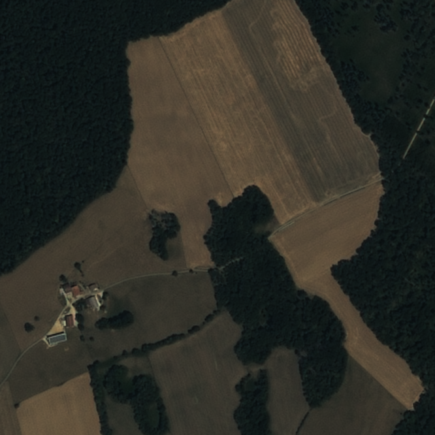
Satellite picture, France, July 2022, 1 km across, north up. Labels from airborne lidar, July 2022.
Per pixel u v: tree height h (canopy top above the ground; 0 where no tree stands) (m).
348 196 0
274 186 0
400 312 14
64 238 0
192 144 0
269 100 0
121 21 19
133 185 0
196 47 0
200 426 0
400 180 21
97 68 22
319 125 0
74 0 21
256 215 21
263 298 25
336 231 0
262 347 20
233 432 0
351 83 20
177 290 0
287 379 0
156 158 0
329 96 0
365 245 16
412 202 18
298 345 19
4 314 0
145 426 13
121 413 0
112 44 21
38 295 0
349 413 0
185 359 0
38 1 21
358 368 0
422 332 23
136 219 0
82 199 22
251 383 0
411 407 0
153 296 0
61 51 25
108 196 0
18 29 21
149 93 0
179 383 0
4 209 25
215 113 0
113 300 0
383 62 0
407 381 0
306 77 0
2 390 0
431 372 22
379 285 20
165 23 19
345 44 0
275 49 0
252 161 0
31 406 0
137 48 0
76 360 0
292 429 0
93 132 24
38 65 13
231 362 0
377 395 0
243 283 19
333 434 0
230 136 0
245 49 0
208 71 0
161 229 20
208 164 0
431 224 24
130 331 0
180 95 0
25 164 22
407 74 19
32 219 22
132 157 0
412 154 10
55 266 0
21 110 25
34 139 22
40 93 21
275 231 0
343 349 18
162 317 0
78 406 0
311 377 16
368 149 0
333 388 17
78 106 24
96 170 22
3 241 24
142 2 20
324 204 0
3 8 27
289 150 0
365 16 0
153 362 0
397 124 8
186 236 0
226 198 0
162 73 0
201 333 0
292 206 0
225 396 0
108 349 0
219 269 9
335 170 0
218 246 21
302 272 0
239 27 0
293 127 0
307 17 15
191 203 0
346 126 0
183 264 0
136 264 0
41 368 0
